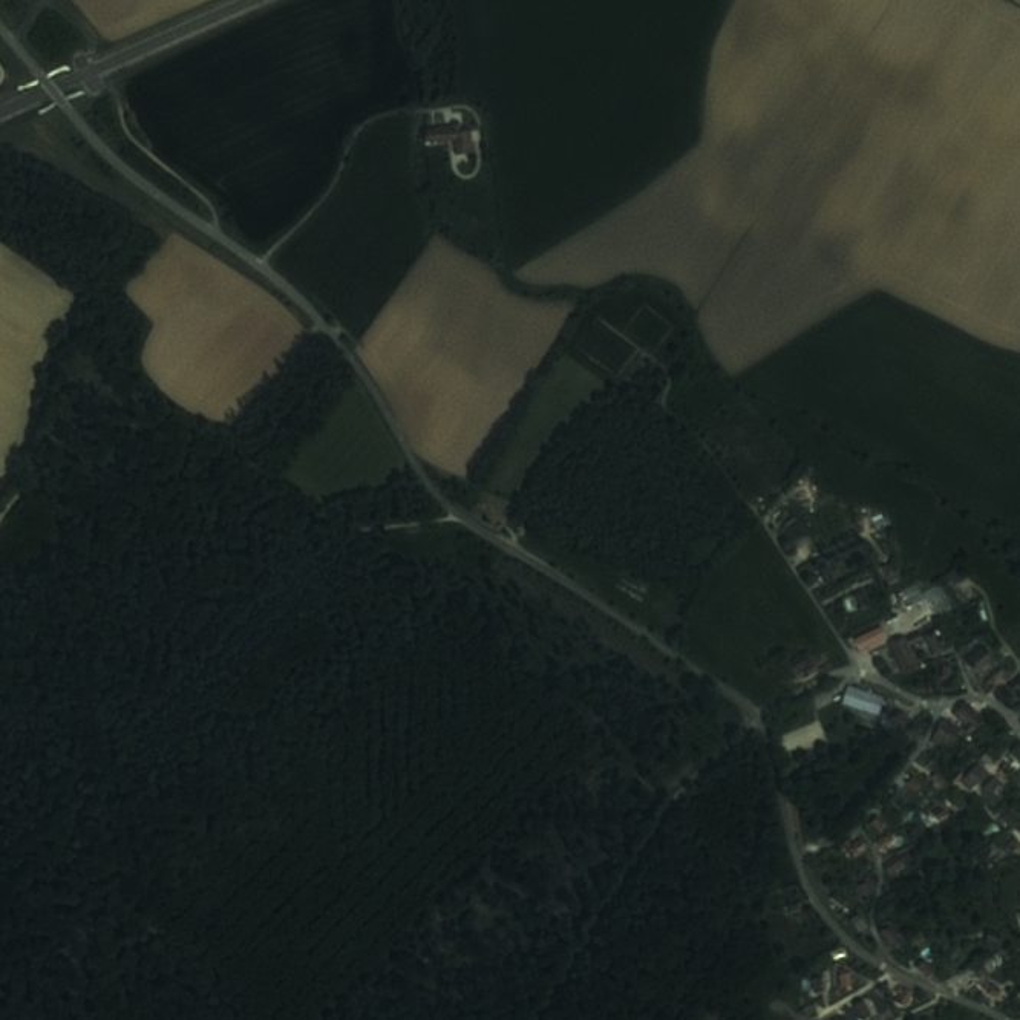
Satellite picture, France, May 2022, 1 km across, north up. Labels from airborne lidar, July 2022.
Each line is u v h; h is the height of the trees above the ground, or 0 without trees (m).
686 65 0
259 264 0
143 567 30
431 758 16
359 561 23
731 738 20
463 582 20
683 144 0
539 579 7
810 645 0
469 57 0
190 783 30
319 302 0
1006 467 0
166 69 0
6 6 8
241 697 6
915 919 22
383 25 0
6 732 25
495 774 14
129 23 0
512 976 27
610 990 27
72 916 29
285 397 25
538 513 14
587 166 0
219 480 29
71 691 25
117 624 25
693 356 6
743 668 0
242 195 0
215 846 24
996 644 8
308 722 22
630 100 0
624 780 27
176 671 16
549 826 24
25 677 25
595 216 0
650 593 0
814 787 20
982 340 0
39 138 0
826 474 0
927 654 8
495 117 0
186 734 18
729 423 0
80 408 25
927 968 0
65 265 20
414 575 27
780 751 17
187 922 18
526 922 26
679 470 10
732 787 8
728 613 0
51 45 6
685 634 13
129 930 28
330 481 0
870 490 0
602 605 0
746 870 6
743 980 26
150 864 27
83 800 32
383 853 16
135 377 26
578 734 18
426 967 29
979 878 18
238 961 15
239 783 33
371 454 0
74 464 28
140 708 22
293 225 0
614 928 28
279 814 25
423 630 26
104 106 6
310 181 0
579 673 19
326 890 16
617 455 12
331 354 30
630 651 0
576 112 0
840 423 0
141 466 25
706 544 18
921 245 0
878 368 0
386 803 17
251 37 0
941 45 0
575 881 0
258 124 0
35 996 27
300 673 7
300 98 0
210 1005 26
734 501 10
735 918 21
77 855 28
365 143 0
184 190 8
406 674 18
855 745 14
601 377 0
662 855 26
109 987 28
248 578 27
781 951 19
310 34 0
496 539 0
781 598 0
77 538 29
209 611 20
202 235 0
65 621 27
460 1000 32
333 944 17
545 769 17
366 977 21
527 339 0
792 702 14
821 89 0
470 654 21
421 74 12
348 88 0
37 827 28
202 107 0
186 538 24
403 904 16
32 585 27
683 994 15
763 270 0
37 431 14
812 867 15
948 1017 13
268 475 21
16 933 12
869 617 0
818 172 0
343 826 17
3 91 0
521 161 0
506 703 16
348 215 0
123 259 19
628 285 11
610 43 0
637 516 16
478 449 0
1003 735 13
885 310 0
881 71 0
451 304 0
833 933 9
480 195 0
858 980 0
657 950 27
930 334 0
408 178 0
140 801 31
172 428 28
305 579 24
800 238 0
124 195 0
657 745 28
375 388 0
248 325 0
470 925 15
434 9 8
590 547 19
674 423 19
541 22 0
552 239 0
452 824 16
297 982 18
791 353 0
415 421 0
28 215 19
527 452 0
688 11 0
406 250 0
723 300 0
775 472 0
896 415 0
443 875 15
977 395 0
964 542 0
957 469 0
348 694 19
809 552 0
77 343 28
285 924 13
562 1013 29
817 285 0
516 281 0
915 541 0
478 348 0
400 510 22
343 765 18
